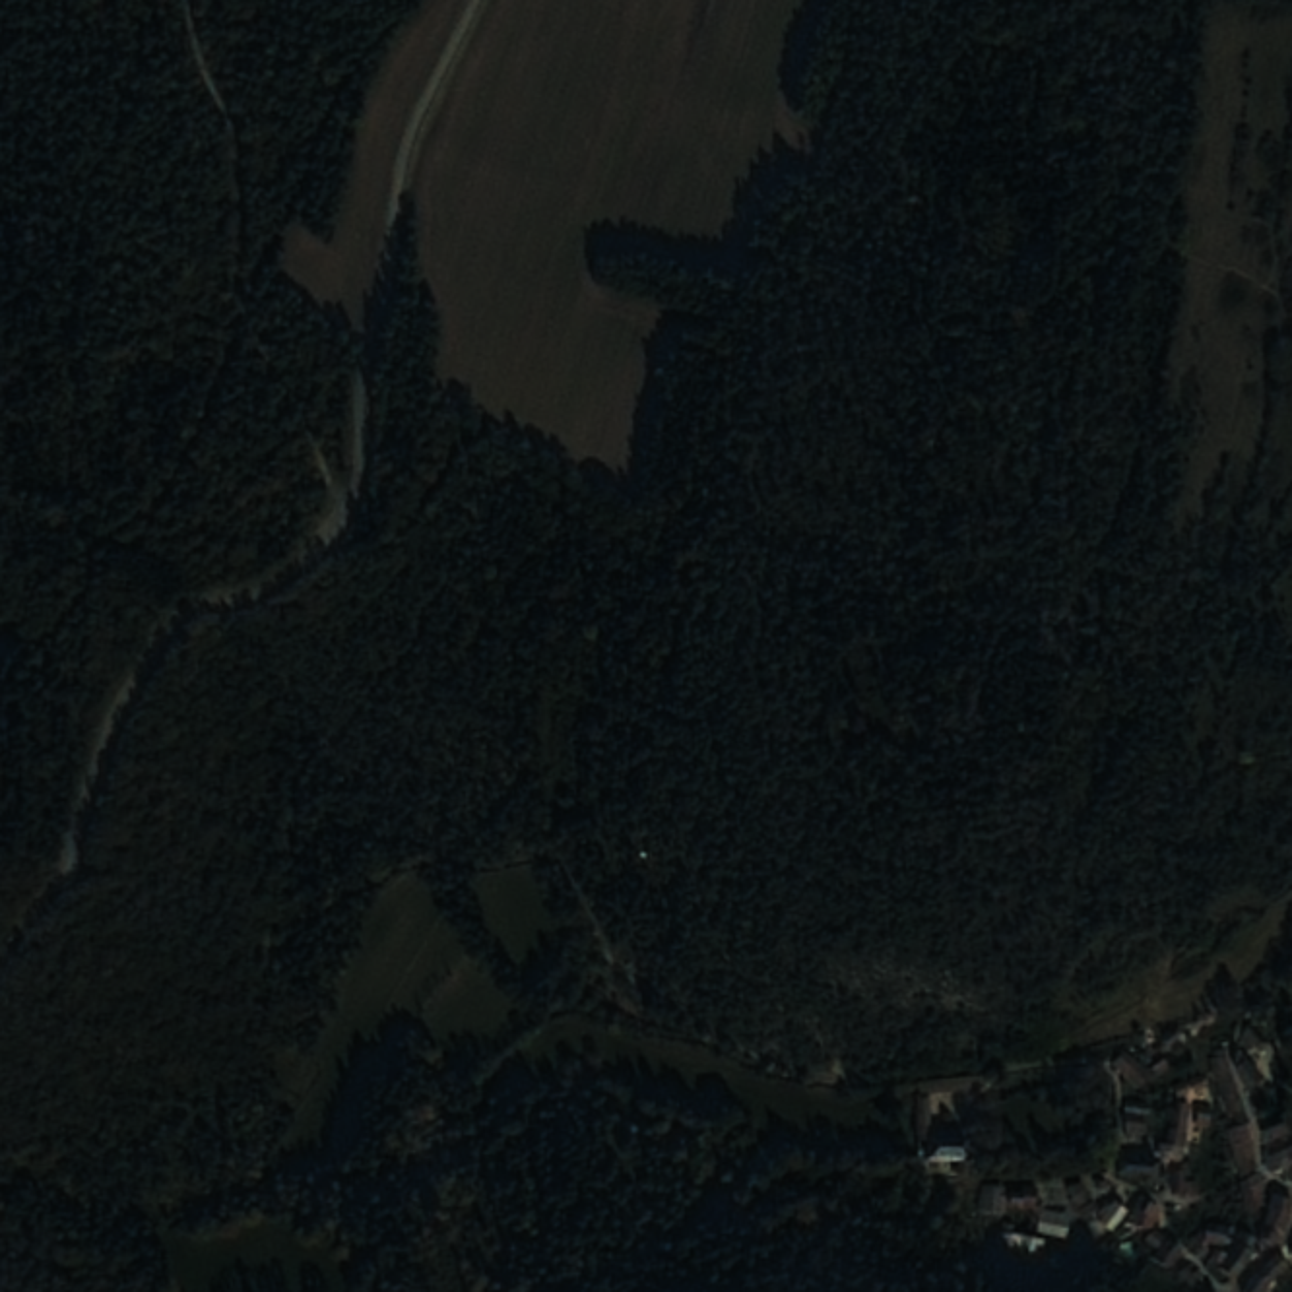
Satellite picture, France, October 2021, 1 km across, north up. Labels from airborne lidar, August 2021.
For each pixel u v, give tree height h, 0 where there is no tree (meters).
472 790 10
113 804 19
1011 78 19
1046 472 22
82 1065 20
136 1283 21
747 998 13
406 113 0
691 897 21
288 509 12
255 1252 0
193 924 13
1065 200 22
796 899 14
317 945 22
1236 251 0
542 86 0
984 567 21
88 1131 14
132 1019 19
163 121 19
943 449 29
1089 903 15
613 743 19
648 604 23
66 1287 20
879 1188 26
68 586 23
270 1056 12
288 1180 22
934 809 22
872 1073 12
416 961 0
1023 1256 0
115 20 29
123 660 15
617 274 21
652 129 0
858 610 19
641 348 0
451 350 0
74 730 18
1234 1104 0
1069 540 16
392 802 20
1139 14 22
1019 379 25
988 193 9
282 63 19
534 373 0
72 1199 9
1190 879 19
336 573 16
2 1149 20
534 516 23
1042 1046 15
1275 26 0
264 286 22
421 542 20
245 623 16
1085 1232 0
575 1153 34
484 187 0
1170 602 11
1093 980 11
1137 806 17
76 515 24
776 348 17
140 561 24
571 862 20
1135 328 21
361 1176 29
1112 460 6
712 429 13
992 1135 27
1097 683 12
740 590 19
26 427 7
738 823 13
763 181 0
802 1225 17
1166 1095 8
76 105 23
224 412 22
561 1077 9
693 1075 0
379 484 12
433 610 12
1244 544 12
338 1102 0
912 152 9
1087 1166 10
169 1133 20
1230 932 12
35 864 20
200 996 10
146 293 15
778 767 19
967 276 25
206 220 22
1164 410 16
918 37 21
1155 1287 0
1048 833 25
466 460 12
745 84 0
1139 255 20
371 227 0
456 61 0
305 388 14
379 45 16
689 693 16
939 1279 25
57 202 24
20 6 17
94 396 28
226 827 14
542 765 11
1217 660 21
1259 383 0
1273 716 7
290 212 13
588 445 0
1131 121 13
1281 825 11
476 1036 0
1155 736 22
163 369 25
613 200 0
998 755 20
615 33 0
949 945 11
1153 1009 0
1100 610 13
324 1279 0
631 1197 14
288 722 18
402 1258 20
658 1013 28
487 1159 20
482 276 0
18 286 14
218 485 15
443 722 22
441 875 23
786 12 0
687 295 21
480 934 28
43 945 25
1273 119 0
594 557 24
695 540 24
